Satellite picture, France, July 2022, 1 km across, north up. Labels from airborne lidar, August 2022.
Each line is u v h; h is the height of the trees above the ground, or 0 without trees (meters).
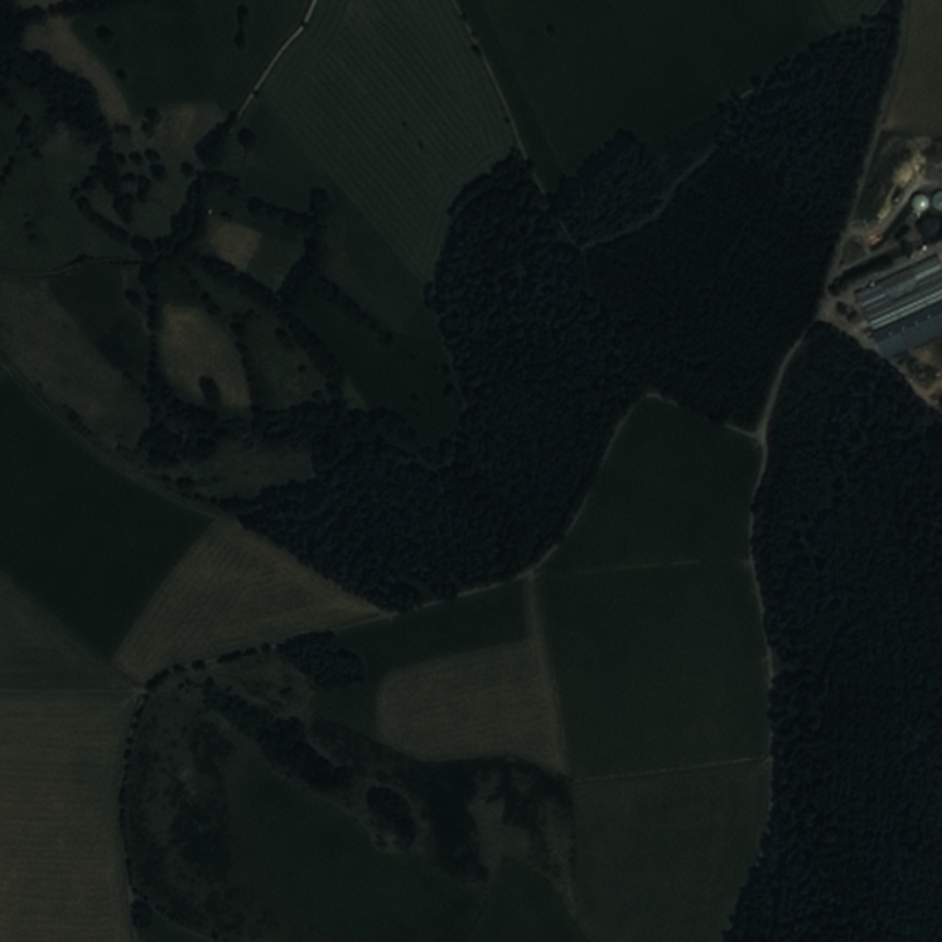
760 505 10
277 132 0
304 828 0
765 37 0
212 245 0
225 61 0
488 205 19
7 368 0
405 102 0
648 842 0
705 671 0
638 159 31
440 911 0
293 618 0
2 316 0
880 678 18
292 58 0
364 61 0
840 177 24
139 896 7
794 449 7
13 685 0
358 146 0
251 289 25
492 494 17
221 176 15
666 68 0
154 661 0
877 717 20
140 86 0
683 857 0
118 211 13
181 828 0
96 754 0
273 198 0
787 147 23
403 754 0
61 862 0
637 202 21
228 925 0
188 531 0
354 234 0
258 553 0
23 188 0
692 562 0
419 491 21
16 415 0
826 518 17
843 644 19
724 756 0
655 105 0
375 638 0
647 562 0
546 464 18
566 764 0
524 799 0
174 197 0
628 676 0
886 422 20
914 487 16
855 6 0
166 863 0
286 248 0
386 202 0
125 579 0
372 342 0
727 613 0
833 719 20
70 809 0
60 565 0
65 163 0
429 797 0
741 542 0
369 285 0
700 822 0
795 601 25
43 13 15
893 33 14
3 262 0
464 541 20
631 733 0
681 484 0
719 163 8
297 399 0
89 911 0
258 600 0
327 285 19
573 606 0
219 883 0
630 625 0
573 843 0
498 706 0
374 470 19
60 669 0
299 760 20
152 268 14
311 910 0
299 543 25
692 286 8
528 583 0
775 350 8
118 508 0
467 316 25
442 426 0
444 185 0
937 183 0
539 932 0
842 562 19
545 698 0
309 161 0
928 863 23
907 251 12
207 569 0
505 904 0
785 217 7
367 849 0
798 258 9
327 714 0
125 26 0
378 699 0
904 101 0
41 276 0
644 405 0
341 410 17
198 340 0
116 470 0
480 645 0
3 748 0
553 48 0
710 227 7
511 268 22
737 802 0
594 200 30
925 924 22
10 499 0
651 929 0
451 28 0
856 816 21
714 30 0
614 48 0
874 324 0
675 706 0
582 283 21
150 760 0
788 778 21
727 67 0
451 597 16
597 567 0
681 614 0
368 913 0
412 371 0
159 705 0
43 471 0
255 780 0
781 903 27
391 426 17
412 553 22
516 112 0
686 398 14
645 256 11
